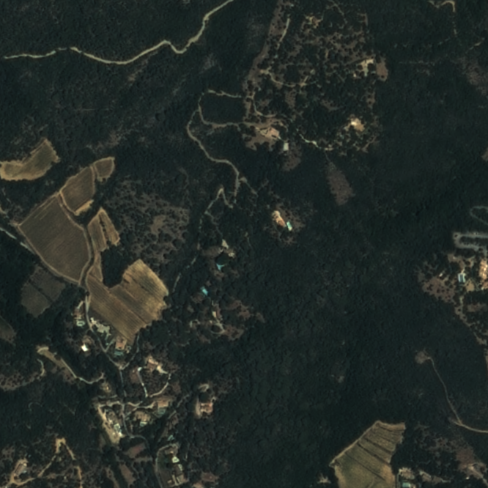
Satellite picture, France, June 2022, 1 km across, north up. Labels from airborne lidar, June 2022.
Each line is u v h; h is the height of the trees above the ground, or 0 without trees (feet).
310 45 31
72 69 23
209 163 24
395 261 26
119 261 22
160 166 21
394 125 22
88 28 36
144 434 34
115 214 24
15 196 21
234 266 33
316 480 30
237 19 29
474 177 52
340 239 32
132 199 26
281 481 21
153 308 0
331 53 26
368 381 31
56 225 0
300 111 23
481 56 25
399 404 24
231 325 39
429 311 27
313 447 37
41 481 23
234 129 24
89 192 0
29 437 30
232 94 17
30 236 0
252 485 20
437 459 30
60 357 27
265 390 39
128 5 29
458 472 28
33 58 25
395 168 26
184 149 24
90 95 23
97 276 0
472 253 27
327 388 31
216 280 35
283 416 26
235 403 26
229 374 37
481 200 30
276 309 19
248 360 35
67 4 18
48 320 39
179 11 26
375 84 29
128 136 23
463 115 23
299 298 21
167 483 0
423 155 24
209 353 29
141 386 21
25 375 28
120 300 0
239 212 30
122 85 25
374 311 30
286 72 28
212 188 24
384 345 21
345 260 35
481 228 28
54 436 26
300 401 38
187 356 28
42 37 35
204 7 24
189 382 21
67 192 0
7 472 30
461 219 52
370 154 29
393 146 21
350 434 32
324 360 39
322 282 23
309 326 18
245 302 30
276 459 38
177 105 21
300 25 24
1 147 24
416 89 18
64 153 18
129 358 26
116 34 38
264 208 31
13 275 38
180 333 48
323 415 36
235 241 23
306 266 31
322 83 33
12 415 27
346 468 0
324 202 25
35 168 0
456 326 21
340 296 37
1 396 50
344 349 18
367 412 33
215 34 28
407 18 27
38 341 42
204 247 39
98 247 0
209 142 23
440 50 27
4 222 26
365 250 35
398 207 38
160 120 44
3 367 34
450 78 29
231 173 29
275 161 32
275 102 30
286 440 23
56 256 0
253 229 24
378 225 39
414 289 24
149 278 0
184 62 22
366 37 25
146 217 22
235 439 25
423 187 19
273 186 29
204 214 19
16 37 20
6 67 31
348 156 23
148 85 26
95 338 31
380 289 24
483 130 23
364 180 23
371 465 0
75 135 41
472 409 20
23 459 30
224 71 21
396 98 27
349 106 23
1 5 25
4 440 19
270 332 34
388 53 33
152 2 27
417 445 31
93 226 0
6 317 35
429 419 27
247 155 31
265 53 0
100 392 38
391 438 0
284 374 40
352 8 30
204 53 21
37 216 0
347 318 22
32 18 21
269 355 42
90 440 21
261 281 37
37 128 31
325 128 23
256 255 20
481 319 23
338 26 24
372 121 27
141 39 20
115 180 25
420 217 70
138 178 24
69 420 29
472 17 32
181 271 30
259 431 41
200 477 25
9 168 0
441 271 28
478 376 21
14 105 40
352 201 27
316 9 28
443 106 23
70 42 20
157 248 26
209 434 22
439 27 31
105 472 18
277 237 25
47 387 31
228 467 19
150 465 41
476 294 28
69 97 25
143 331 27
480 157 35
